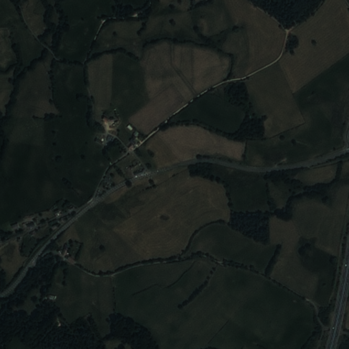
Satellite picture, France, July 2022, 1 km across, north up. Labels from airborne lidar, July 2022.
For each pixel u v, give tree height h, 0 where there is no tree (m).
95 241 0
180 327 0
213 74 0
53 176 0
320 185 14
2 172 0
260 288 0
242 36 0
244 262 0
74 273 0
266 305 0
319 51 0
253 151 0
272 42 0
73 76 0
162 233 0
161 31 0
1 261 13
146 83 0
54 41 16
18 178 0
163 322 0
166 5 0
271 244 0
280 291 0
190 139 0
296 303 0
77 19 0
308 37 0
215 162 0
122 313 0
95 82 0
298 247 0
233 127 0
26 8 0
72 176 0
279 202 0
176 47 0
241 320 0
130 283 0
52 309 8
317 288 0
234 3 0
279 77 0
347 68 0
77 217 0
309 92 0
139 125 0
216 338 0
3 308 19
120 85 0
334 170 0
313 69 0
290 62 0
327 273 0
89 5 0
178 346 0
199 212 0
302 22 11
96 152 0
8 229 0
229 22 0
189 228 0
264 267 0
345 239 7
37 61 12
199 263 0
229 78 9
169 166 0
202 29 0
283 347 0
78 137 0
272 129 0
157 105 0
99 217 0
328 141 0
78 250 6
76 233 0
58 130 0
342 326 0
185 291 0
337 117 0
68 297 0
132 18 7
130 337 23
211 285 0
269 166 0
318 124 0
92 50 12
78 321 7
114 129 0
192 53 0
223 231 0
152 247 0
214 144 0
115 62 0
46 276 17
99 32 7
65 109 0
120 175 14
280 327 0
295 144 17
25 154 0
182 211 0
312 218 0
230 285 0
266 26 0
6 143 16
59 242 0
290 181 13
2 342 12
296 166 0
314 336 12
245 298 0
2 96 0
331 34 0
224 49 0
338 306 0
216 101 0
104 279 0
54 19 0
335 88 0
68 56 0
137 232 0
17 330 16
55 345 20
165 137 0
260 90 0
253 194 0
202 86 0
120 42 0
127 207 0
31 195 0
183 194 0
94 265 0
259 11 0
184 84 0
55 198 0
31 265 0
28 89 0
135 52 0
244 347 0
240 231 9
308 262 0
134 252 0
